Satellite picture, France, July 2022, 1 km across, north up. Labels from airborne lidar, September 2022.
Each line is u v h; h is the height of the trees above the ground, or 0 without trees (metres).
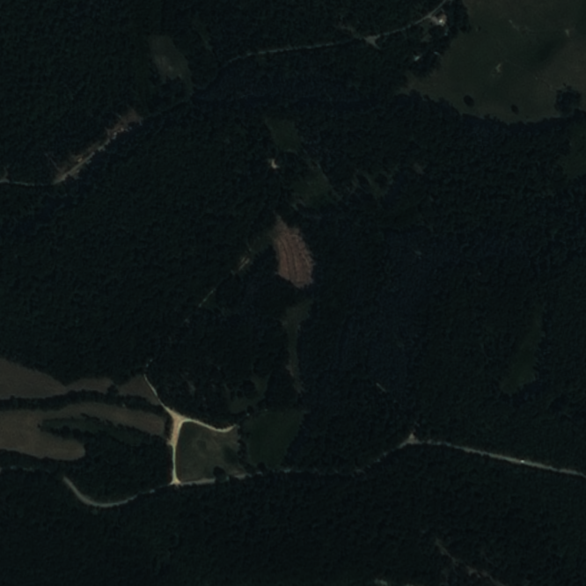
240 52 19
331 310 17
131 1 11
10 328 13
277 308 19
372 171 18
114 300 19
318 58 13
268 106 30
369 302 24
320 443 26
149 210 15
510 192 23
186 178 14
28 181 14
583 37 0
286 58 16
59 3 14
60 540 19
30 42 20
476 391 21
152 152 17
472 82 0
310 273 0
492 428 9
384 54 13
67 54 17
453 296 21
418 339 25
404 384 19
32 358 12
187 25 24
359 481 22
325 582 27
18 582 17
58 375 12
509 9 0
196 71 19
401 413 25
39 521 19
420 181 24
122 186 15
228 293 15
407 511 19
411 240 26
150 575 29
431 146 18
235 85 29
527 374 0
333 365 12
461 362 15
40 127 15
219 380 20
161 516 14
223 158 14
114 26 20
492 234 23
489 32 0
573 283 15
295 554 18
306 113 27
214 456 0
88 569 17
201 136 19
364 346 26
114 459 16
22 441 0
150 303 21
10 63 15
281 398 13
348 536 21
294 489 27
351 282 17
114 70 19
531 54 0
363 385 17
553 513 21
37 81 14
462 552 14
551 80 0
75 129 18
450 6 14
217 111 29
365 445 22
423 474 18
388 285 25
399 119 34
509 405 22
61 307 16
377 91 22
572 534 17
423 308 21
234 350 21
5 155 18
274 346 18
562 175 8
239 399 9
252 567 19
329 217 24
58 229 18
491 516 15
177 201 19
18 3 14
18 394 0
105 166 20
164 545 10
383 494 16
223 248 22
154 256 21
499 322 21
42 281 19
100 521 21
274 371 18
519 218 23
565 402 24
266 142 17
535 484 11
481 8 0
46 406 17
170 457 14
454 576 13
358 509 19
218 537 16
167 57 0
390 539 22
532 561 21
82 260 12
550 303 21
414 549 12
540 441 12
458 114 35
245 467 17
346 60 19
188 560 8
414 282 25
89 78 13
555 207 8
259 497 28
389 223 6
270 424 0
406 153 25
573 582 22
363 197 31
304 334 18
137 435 15
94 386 0
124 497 11
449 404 16
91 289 18
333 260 16
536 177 23
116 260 21
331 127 24
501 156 26
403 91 0
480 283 26
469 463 18
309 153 29
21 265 20
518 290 24
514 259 26
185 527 17
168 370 17
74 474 16
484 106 0
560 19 0
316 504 29
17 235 28
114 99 13
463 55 0
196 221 17
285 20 14
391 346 31
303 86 28
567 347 14
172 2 13
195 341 17
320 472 20
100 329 19
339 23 15
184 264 19
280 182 17
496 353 19
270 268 19
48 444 0
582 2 0
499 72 0
